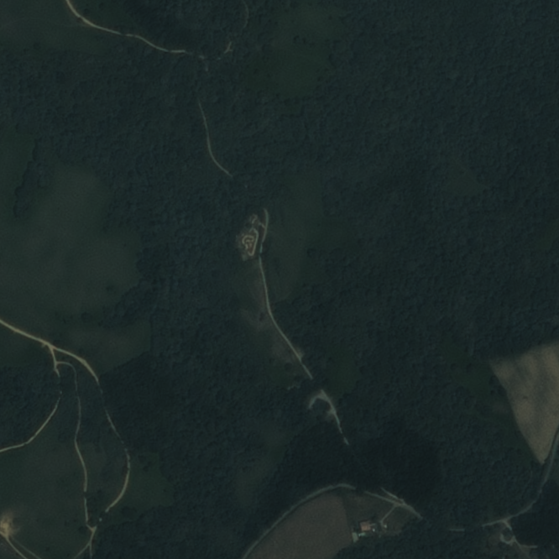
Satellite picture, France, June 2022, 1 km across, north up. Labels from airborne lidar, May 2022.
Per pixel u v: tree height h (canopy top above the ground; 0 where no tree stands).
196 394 19
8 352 0
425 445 16
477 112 9
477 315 8
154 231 24
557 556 18
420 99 24
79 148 19
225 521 11
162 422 6
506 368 0
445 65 21
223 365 12
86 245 0
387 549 15
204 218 11
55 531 0
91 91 13
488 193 13
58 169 0
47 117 19
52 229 0
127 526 13
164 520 16
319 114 6
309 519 0
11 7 0
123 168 26
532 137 14
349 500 0
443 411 10
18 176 0
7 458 0
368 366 11
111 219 12
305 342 11
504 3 11
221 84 19
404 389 23
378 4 16
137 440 8
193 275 9
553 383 0
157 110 7
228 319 8
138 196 28
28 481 0
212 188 12
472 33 22
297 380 8
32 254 0
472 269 7
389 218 7
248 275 0
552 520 15
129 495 0
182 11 10
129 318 18
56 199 0
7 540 0
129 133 13
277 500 16
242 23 11
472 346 11
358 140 26
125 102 14
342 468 9
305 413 16
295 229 0
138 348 0
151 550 13
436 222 7
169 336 21
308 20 0
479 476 10
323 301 18
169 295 24
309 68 0
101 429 5
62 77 17
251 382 12
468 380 0
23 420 10
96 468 0
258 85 0
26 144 0
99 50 0
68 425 6
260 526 12
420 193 7
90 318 10
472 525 25
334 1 13
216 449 19
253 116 20
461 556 25
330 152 17
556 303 18
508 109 6
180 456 18
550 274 15
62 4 0
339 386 0
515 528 12
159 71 9
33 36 0
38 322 0
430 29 11
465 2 17
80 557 0
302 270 0
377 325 13
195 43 14
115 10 0
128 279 0
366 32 13
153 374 8
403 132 21
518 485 9
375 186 10
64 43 0
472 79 13
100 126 14
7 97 23
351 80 12
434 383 7
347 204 22
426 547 14
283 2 9
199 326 7
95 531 0
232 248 12
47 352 0
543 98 18
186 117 12
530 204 22
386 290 20
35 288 0
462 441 14
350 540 0
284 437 0
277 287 0
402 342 10
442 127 7
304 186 0
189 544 11
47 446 0
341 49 18
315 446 14
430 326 9
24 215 9
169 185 7
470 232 12
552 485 13
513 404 0
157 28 19
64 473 0
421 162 15
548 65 18
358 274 24
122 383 6
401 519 0
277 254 0
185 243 21
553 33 11
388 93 14
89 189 0
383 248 11
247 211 15
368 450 17
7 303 0
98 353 0
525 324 13
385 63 18
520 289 21
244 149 11
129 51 9
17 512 0
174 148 11
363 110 20
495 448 10
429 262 21
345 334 7
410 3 13
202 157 17
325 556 0
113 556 14
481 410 7
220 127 17
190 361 17
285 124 21
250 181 19
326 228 0
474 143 12
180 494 9
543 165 19
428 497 15
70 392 8
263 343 0
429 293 15
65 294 0
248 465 8
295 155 10
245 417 14
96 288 0
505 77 10
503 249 8
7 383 24
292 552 0
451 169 12
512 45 19
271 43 7
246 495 0
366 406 13
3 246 0
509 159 17
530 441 0
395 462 16
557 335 14
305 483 13
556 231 0
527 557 0
